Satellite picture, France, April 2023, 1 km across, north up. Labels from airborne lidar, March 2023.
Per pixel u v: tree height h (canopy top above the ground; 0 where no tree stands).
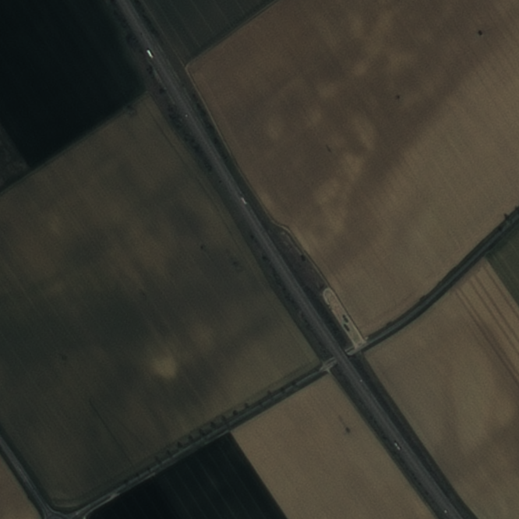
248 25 0
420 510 0
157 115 0
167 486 0
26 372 0
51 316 0
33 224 0
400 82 0
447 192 0
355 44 0
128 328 0
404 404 0
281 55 0
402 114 0
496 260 0
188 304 0
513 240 0
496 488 0
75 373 0
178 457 0
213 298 0
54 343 0
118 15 12
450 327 0
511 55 0
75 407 0
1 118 0
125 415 0
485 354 0
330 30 0
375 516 0
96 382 0
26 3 0
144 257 0
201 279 0
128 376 0
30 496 0
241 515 0
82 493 0
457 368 0
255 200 0
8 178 0
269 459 0
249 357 0
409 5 0
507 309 0
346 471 0
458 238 0
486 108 0
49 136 0
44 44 0
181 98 0
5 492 0
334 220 0
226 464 0
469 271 0
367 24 0
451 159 0
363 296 0
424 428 0
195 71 0
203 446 0
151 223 0
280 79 0
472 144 0
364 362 0
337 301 0
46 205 0
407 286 0
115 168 0
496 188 0
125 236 0
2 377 0
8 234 0
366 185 0
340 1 0
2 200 0
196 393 0
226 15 0
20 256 0
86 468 0
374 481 0
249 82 0
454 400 0
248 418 0
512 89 0
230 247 0
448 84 0
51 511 0
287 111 0
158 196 0
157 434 0
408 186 0
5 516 0
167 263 0
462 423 0
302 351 0
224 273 0
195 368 0
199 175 0
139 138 0
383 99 0
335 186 0
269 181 0
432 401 0
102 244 0
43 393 0
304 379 0
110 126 0
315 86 0
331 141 0
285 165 0
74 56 0
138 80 0
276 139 0
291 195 0
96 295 0
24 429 0
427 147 0
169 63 0
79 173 0
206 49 0
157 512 0
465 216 0
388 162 0
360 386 0
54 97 0
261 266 0
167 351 0
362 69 0
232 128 0
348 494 0
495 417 0
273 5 0
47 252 0
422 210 0
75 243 0
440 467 0
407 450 0
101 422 0
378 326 0
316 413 0
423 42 0
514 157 0
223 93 0
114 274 0
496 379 0
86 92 0
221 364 0
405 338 0
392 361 0
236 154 0
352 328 0
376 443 0
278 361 0
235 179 0
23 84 0
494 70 0
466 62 0
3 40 0
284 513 0
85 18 0
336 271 0
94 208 0
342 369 0
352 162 0
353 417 0
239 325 0
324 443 0
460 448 0
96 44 0
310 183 0
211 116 0
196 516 0
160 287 0
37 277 0
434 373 0
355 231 0
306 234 0
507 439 0
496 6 0
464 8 0
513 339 0
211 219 0
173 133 0
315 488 0
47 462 0
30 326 0
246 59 0
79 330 0
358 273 0
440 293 0
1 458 0
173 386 0
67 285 0
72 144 0
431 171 0
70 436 0
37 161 0
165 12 0
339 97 0
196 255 0
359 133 0
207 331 0
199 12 0
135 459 0
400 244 0
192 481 0
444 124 0
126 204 0
